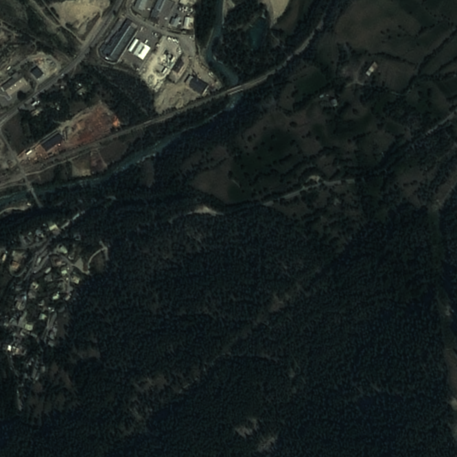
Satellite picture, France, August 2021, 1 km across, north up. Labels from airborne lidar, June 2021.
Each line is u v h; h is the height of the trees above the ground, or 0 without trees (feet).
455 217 51
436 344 63
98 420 23
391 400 50
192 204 26
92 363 41
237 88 0
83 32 0
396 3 0
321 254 39
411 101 0
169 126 55
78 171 0
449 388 48
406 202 21
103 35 0
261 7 36
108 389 64
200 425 65
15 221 52
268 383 64
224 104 36
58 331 0
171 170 33
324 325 37
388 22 0
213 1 25
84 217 22
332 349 49
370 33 0
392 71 0
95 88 36
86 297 56
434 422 47
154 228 45
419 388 57
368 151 0
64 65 0
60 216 52
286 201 29
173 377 45
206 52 0
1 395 53
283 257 52
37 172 0
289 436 70
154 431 62
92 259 0
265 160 0
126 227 47
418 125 40
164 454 65
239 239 44
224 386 66
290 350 50
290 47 43
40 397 41
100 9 0
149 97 22
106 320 64
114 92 27
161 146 0
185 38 0
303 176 27
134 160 0
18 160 0
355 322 31
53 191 0
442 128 27
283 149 0
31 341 36
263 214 42
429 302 27
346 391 62
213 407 68
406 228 69
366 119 0
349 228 34
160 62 0
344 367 63
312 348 66
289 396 52
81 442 60
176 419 67
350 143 27
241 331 58
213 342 66
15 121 0
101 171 0
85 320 63
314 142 0
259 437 60
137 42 0
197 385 43
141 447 64
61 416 79
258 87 35
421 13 0
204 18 43
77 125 0
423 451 46
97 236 31
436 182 20
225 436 64
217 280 75
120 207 54
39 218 72
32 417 22
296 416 73
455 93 0
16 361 50
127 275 34
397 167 48
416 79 35
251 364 86
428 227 60
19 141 0
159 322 50
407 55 0
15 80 0
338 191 0
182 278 62
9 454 71
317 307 47
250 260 45
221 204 35
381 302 43
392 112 35
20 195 0
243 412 61
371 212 39
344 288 42
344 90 34
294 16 0
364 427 65
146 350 64
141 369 60
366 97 35
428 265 57
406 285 34
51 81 0
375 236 58
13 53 0
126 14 0
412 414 54
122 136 21
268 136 0
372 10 0
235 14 46
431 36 0
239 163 23
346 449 54
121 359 63
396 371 65
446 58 0
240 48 42
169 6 0
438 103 0
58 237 21
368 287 56
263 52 20
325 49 0
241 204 25
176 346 53
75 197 20
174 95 0
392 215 0
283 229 34
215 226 36
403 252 68
